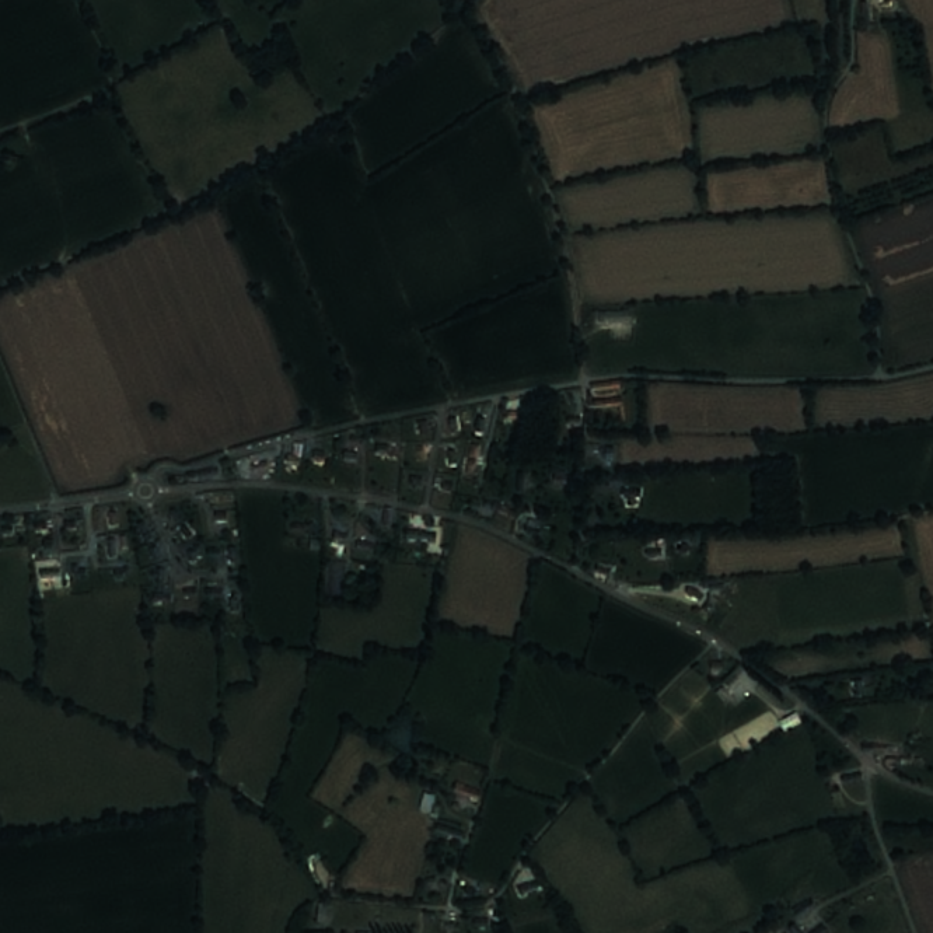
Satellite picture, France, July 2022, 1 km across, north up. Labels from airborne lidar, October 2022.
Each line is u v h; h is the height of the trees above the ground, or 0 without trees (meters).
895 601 0
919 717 0
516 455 19
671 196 0
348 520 0
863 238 0
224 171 0
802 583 0
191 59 0
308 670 8
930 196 6
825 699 19
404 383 0
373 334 0
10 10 0
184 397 0
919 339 0
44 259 0
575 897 0
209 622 6
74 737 0
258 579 0
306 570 0
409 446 0
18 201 0
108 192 0
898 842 0
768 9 0
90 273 0
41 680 12
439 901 10
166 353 0
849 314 0
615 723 0
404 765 14
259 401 0
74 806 0
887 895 0
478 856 0
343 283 0
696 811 13
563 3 0
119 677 0
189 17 0
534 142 13
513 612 0
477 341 0
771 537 19
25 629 0
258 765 0
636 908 0
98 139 0
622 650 0
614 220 0
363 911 0
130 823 17
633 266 0
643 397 7
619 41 0
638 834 0
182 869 0
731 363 0
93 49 0
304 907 7
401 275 0
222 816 0
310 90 7
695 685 0
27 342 0
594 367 0
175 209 18
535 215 0
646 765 0
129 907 0
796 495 17
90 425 0
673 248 0
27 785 0
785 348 0
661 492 0
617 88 0
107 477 0
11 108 0
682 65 14
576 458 14
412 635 0
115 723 6
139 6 0
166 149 0
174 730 0
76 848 0
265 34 0
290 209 0
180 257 0
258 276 0
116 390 0
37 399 0
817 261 0
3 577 0
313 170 0
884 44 0
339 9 0
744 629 0
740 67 0
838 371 0
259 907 0
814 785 0
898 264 0
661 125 0
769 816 0
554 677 0
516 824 0
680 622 0
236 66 0
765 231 0
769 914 12
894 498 0
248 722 0
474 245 0
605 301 0
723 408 0
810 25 11
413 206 0
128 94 0
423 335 8
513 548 0
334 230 0
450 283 0
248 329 0
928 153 8
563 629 0
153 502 0
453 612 0
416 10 0
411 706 9
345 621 0
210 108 0
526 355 0
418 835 0
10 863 0
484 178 0
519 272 0
